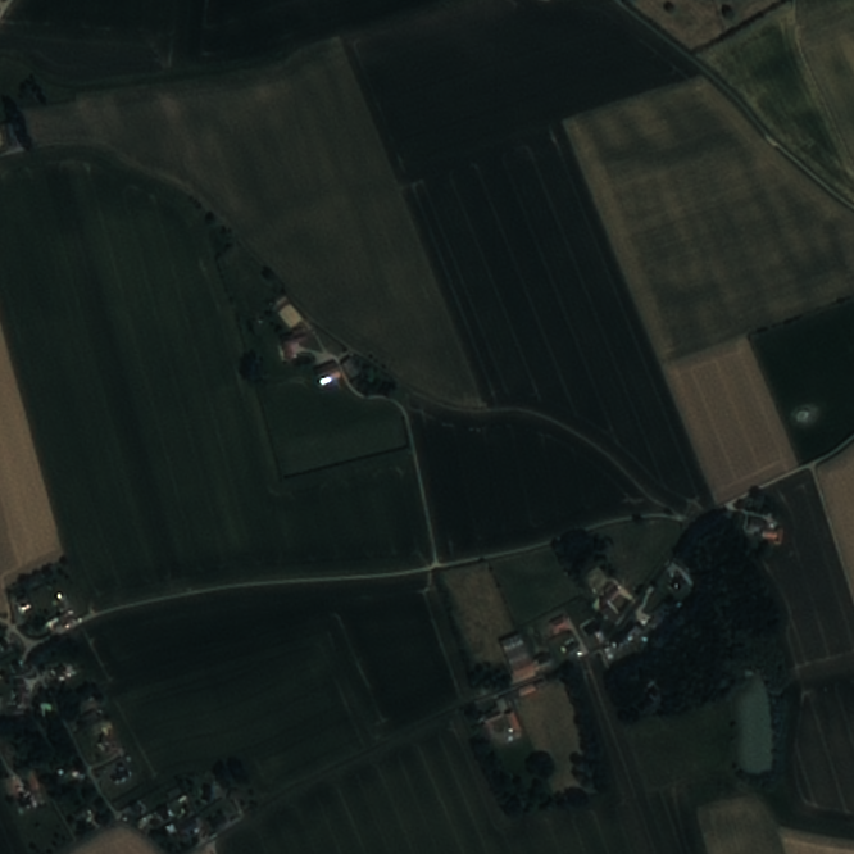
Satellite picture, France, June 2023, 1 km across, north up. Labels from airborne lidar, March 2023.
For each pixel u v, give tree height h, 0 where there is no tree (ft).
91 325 0
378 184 0
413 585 0
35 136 0
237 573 0
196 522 0
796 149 0
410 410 0
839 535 0
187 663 0
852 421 0
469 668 18
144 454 0
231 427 0
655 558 0
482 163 0
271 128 0
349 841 0
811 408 0
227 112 0
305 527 0
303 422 0
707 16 0
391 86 0
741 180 0
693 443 0
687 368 0
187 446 0
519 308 0
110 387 0
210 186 0
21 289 0
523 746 0
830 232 0
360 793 0
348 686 0
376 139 0
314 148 0
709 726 0
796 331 0
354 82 0
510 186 0
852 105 0
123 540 0
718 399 0
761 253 0
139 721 0
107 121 0
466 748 0
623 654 0
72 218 0
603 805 0
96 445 0
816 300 0
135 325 0
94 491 0
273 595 0
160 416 0
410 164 0
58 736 62
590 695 0
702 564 52
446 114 0
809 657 0
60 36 0
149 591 0
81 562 0
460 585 0
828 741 0
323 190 0
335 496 0
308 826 0
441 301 0
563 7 0
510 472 0
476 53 0
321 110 0
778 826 0
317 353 0
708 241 0
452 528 0
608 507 0
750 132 0
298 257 0
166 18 0
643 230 0
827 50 0
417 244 0
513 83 0
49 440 0
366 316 0
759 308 0
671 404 0
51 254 0
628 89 0
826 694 0
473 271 0
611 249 0
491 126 0
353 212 0
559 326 0
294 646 0
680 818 0
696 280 0
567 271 0
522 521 0
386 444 0
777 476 0
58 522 0
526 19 0
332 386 0
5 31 0
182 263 0
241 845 0
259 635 0
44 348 0
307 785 0
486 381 0
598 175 0
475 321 0
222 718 0
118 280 0
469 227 0
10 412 0
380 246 0
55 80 0
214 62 0
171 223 0
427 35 0
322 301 0
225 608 0
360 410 0
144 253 0
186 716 0
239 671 0
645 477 0
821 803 0
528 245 0
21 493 0
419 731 0
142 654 0
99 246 0
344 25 0
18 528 0
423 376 0
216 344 0
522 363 0
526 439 0
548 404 0
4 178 0
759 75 0
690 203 0
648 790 0
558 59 0
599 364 0
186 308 0
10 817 0
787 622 0
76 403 0
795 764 0
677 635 54
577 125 0
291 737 0
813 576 0
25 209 0
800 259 0
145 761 0
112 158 0
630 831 0
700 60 0
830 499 0
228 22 0
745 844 0
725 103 0
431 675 0
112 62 0
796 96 0
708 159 0
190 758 0
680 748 0
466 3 0
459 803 0
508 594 0
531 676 0
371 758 0
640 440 0
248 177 0
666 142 0
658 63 0
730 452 0
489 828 0
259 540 0
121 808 0
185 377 0
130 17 0
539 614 0
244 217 0
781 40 0
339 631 0
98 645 0
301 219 0
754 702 0
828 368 0
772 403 0
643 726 0
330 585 0
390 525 0
